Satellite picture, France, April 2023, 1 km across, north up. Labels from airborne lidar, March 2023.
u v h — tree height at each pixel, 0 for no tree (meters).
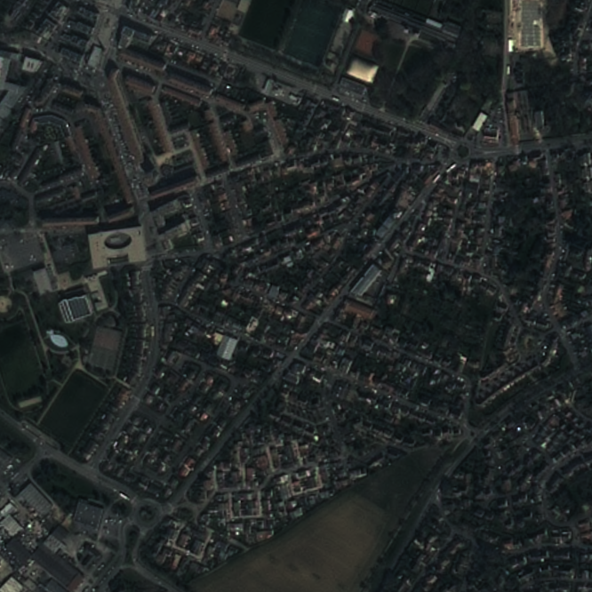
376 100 18
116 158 0
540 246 7
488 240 0
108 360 0
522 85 0
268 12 0
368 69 0
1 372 0
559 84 16
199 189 0
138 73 0
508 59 0
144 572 0
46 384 11
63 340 0
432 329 15
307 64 0
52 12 0
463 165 0
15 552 0
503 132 0
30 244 0
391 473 0
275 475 0
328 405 0
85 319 0
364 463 0
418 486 0
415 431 11
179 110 6
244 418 0
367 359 7
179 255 0
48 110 0
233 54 0
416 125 0
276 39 0
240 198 0
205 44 0
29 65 0
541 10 0
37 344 10
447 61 25
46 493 0
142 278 0
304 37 0
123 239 0
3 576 0
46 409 9
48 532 0
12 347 0
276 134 0
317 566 0
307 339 0
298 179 0
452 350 5
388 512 0
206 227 0
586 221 17
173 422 6
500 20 0
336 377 0
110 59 0
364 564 0
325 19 0
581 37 0
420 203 0
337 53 0
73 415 0
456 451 0
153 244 0
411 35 0
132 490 0
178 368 0
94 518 0
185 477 8
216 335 0
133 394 0
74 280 0
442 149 0
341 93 0
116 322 12
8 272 0
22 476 0
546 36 0
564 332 0
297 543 0
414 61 0
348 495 0
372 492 0
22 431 0
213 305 9
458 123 8
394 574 11
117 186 0
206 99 0
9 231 0
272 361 7
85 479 0
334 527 0
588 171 0
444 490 11
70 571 0
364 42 0
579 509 12
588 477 18
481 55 19
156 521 0
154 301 0
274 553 0
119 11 0
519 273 22
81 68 0
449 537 7
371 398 0
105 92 0
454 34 0
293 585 0
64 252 0
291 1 0
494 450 0
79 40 0
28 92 0
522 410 10
